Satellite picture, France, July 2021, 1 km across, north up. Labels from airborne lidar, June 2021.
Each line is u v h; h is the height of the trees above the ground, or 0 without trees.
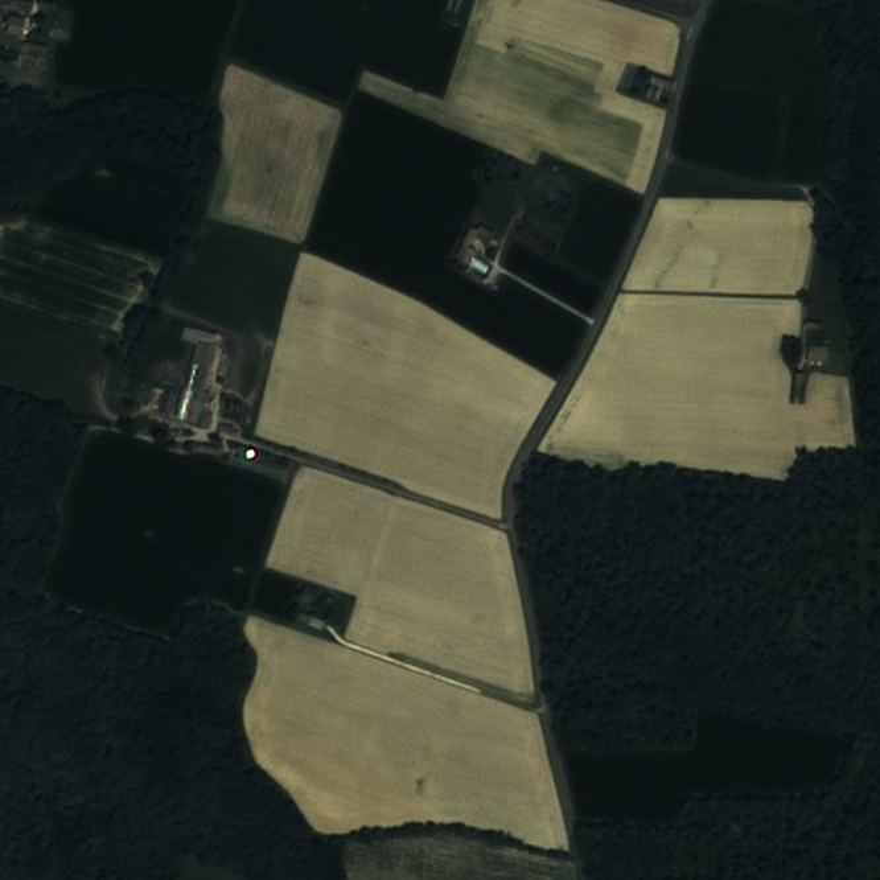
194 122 19
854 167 14
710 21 0
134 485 0
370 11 0
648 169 0
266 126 0
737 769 0
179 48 0
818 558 18
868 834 19
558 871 0
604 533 8
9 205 22
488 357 0
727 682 17
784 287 0
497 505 0
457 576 0
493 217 0
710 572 23
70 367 0
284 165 0
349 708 0
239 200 0
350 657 0
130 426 21
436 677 0
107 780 22
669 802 0
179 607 0
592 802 0
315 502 0
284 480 0
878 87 24
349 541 0
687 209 0
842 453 17
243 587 0
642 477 20
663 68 0
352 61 0
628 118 0
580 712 13
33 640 18
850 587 22
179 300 0
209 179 11
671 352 0
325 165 0
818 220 9
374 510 0
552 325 0
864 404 16
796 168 0
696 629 21
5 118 23
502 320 0
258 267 0
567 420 0
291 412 0
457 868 0
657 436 0
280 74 0
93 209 0
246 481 0
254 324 0
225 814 21
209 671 22
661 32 0
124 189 0
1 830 20
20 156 24
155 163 10
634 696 23
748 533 17
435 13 0
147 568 0
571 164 0
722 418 0
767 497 15
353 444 0
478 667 0
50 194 0
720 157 0
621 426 0
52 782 20
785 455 0
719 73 0
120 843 21
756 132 0
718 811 18
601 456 0
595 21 0
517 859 0
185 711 14
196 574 0
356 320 0
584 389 0
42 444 19
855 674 17
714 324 0
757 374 0
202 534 0
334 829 0
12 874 20
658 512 23
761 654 17
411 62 0
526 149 0
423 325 0
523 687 0
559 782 0
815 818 17
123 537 0
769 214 0
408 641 0
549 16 0
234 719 10
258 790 21
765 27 0
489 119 0
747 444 0
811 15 6
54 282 0
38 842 26
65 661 25
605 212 0
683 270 0
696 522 21
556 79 0
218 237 0
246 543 0
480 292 0
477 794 0
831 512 20
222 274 0
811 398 0
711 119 0
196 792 25
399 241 0
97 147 10
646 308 0
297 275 0
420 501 0
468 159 0
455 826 8
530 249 0
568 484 18
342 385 0
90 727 26
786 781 0
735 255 0
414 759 0
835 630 22
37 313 0
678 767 0
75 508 0
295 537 0
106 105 24
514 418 0
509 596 0
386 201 0
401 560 0
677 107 0
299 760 0
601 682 14
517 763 0
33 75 0
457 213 0
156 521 0
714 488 16
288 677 0
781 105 0
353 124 0
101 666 23
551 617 17
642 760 0
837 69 21
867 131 16
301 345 0
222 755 23
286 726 0
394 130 0
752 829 22
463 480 0
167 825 24
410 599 0
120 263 0
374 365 0
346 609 0
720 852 16
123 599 0
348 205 0
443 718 0
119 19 0
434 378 0
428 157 0
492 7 0
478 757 0
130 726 27
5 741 20
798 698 17
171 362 0
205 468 0
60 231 0
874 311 17
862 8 19
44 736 21
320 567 0
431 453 0
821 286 0
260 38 0
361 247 0
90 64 0
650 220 0
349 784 0
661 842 12
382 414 0
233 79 0
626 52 0
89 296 0
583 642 21
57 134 27
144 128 18
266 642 0
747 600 7
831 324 0
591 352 0
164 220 0
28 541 24
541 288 0
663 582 7
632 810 0
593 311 0
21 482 24
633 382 0
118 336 0
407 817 0
